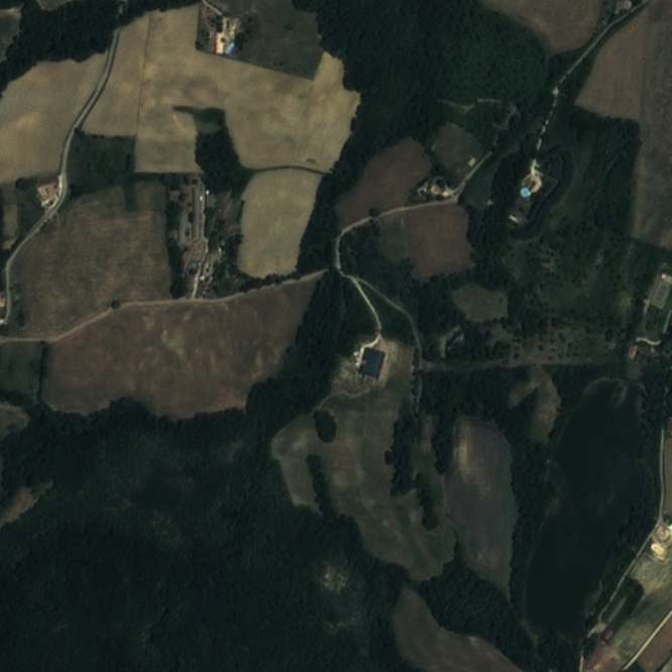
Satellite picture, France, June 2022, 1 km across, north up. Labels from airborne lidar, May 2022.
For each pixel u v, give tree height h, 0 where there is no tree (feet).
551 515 0
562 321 20
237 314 0
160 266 0
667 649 0
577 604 0
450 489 0
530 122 39
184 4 56
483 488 0
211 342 0
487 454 0
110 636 37
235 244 24
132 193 0
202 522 28
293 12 0
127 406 52
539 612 0
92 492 24
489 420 38
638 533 34
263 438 46
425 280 0
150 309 0
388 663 31
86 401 0
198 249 0
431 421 0
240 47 18
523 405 28
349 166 51
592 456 0
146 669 39
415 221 0
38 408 31
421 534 0
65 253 0
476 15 54
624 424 0
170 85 0
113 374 0
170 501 20
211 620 26
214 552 35
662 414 39
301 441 0
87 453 46
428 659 0
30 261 0
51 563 36
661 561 0
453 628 37
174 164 0
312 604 43
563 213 0
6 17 0
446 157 0
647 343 28
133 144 0
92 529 46
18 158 0
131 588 38
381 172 0
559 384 47
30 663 31
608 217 27
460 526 0
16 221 0
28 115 0
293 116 0
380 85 42
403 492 39
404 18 42
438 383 27
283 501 25
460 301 0
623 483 0
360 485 0
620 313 0
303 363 59
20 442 43
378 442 0
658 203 0
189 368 0
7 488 37
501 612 44
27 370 0
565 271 0
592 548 0
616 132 27
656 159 0
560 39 0
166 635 34
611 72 0
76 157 0
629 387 0
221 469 30
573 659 39
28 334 0
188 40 0
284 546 28
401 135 52
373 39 56
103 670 41
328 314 71
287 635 47
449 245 0
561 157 30
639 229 0
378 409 0
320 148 0
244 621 47
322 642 30
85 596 22
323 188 38
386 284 21
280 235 0
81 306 0
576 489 0
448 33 37
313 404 43
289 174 0
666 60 0
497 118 32
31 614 23
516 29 37
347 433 0
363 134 39
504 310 0
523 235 54
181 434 52
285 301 0
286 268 0
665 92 0
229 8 0
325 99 0
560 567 0
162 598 40
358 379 0
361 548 33
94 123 0
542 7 0
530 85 19
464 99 17
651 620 0
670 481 0
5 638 38
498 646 27
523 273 0
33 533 43
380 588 29
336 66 0
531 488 52
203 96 0
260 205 0
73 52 40
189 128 0
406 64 49
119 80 0
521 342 31
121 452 37
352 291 36
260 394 49
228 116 0
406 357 0
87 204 0
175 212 55
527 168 39
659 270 0
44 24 55
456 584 49
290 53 0
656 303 0
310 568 30
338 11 48
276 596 41
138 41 0
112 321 0
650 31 0
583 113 30
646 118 0
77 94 0
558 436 41
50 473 45
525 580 38
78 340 0
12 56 61
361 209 0
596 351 0
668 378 31
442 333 21
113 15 69
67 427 31
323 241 55
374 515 0
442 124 45
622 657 0
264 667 40
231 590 39
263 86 0
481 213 62
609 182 34
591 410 0
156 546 65
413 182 0
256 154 0
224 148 44
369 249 37
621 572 24
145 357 0
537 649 26
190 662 28
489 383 49
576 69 21
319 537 43
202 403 0
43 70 0
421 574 0
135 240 0
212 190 63
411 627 0
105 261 0
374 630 21
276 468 28
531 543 54
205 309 0
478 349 26
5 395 45
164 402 0
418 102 77
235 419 53
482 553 0
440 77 42
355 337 27
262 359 0
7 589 59
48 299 0
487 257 25
